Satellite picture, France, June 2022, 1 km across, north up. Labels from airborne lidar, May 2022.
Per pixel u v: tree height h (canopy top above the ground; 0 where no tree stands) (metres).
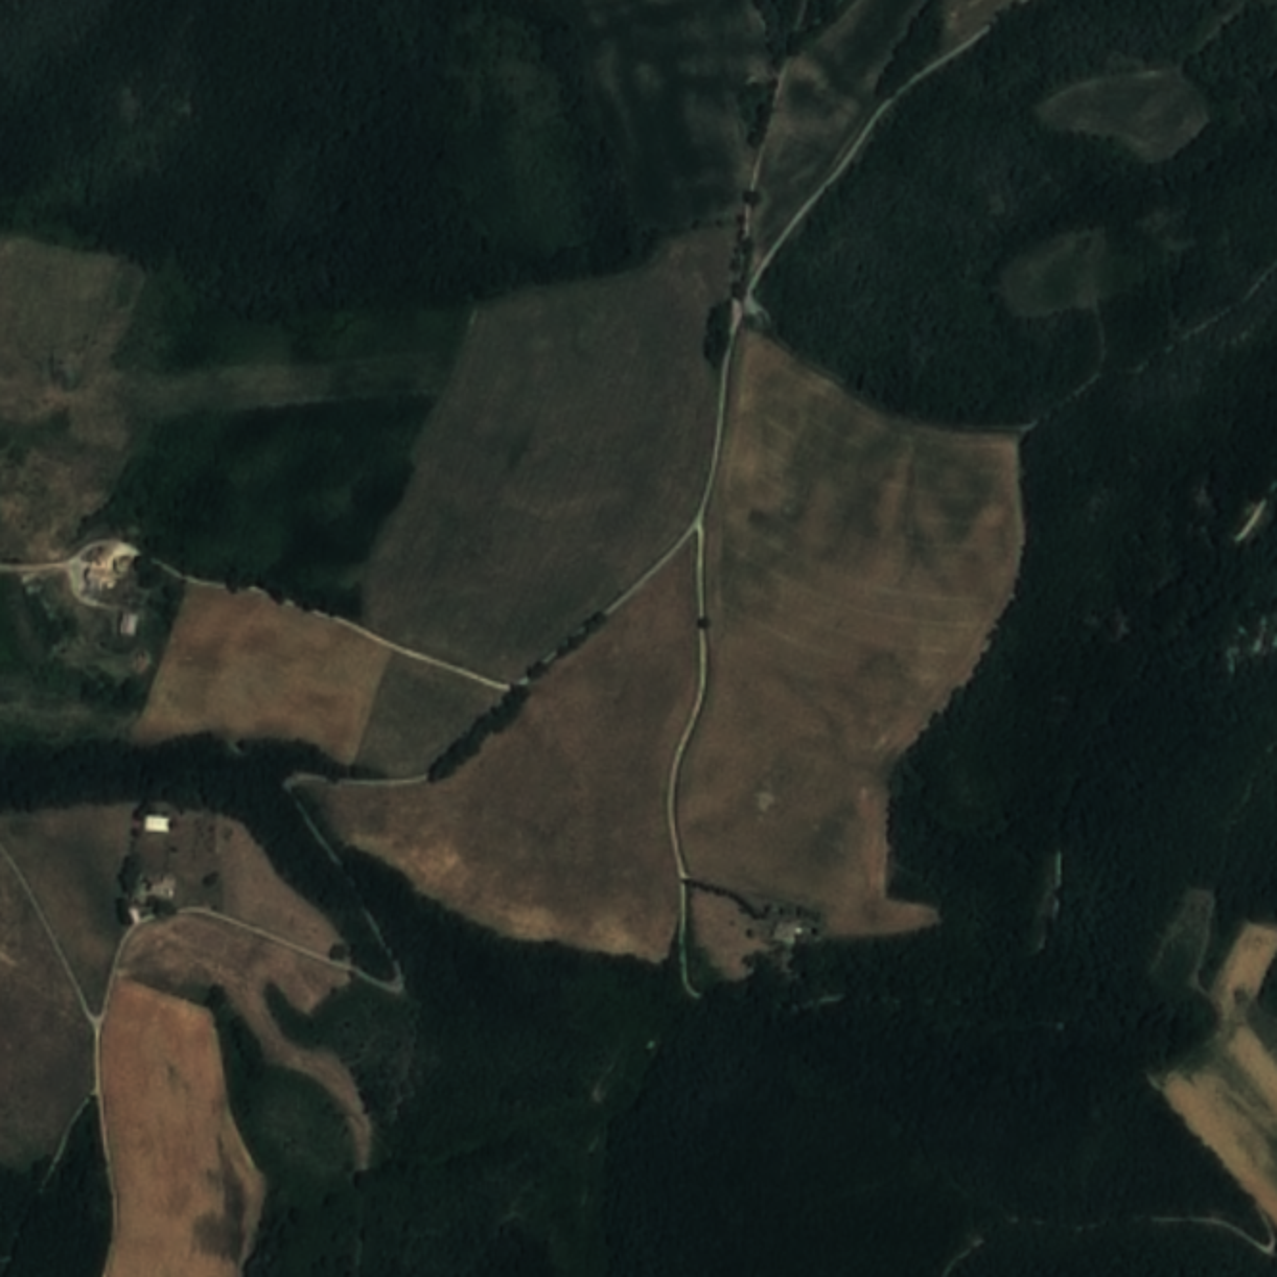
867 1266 6
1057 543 9
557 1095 9
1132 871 10
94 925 0
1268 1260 6
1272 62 11
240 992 0
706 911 0
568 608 0
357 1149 0
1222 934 7
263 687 0
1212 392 8
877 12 0
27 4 9
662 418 0
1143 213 9
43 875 0
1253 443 18
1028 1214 10
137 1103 0
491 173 9
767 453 0
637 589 0
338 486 6
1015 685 10
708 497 0
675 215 0
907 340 11
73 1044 0
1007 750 12
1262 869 13
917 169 8
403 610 0
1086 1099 13
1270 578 7
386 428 7
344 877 10
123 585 0
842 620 0
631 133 0
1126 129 0
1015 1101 10
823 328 6
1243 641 6
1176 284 7
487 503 0
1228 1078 0
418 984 9
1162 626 19
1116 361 6
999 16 10
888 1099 11
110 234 12
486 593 0
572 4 0
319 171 11
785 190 0
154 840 0
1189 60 8
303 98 12
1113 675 21
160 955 0
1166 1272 14
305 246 19
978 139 8
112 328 0
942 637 0
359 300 13
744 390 0
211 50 8
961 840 20
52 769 14
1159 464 11
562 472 0
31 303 0
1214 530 19
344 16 10
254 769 7
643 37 0
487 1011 8
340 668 0
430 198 21
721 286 0
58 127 11
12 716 0
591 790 0
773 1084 8
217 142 8
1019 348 8
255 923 0
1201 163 13
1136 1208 8
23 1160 0
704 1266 7
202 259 17
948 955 8
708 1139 10
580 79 12
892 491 0
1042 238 6
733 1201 6
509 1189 5
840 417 0
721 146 0
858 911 0
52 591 0
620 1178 9
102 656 0
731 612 0
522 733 0
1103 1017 18
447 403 0
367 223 20
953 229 7
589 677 0
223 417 5
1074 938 7
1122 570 14
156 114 6
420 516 0
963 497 0
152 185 8
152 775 13
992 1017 14
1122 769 11
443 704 0
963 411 11
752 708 0
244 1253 0
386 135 18
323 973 0
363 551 8
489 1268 7
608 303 0
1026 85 9
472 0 13
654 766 0
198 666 0
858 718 0
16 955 0
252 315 15
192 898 0
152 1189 0
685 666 0
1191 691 15
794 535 0
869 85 0
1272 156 10
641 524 0
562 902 0
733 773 0
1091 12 13
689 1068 8
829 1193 6
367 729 0
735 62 0
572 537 0
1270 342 6
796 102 0
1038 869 17
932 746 8
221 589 0
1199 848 9
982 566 0
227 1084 0
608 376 0
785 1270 7
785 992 6
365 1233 7
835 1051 13
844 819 0
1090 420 8
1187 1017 8
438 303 8
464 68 7
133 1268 0
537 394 0
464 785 0
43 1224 10
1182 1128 9
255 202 17
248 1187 0
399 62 14
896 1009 6
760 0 12
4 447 0
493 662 0
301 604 8
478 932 7
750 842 0
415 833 0
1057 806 21
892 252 7
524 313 0
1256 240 9
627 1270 12
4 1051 0
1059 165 11
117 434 0
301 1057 0
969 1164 9
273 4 9
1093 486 11
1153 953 7
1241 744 7
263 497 7
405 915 12
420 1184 7
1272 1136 0
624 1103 6
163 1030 0
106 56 7
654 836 0
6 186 10
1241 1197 12
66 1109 0
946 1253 7
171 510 6
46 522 0
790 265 6
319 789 0
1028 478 8
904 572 0
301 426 7
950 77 11
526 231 7
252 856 0
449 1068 7
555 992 9
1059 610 8
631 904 0
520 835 0
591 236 7
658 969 7
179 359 6
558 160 6
